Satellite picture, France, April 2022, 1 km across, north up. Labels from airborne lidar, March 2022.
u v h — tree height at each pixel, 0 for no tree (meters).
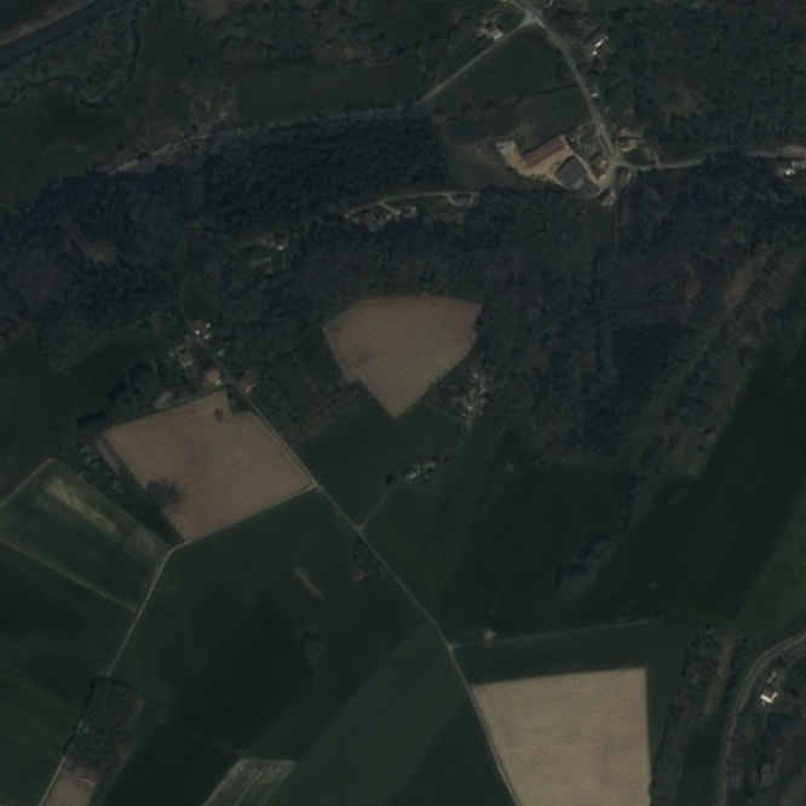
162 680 0
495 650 0
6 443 0
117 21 16
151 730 0
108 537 0
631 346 24
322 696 0
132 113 0
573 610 0
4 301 32
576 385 10
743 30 29
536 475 0
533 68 0
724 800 0
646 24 16
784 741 21
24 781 0
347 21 19
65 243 29
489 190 0
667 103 0
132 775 0
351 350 0
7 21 17
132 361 0
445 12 0
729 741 0
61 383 0
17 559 0
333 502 0
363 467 0
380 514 0
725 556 0
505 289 26
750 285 0
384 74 0
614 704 0
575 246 25
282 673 0
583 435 30
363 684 0
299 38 18
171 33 0
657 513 0
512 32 0
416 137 27
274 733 0
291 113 0
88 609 0
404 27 0
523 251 24
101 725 16
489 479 0
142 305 23
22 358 0
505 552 0
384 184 28
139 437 0
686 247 29
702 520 0
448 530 0
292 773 0
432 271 24
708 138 20
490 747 0
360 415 0
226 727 0
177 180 19
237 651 0
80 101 7
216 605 0
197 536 0
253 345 20
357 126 27
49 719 0
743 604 0
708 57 27
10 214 0
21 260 28
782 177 0
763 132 23
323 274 29
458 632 0
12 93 23
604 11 0
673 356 25
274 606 0
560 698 0
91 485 8
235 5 0
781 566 0
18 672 0
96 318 25
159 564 0
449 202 0
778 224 9
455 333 0
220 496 0
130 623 0
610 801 0
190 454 0
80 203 32
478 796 0
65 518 0
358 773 0
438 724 0
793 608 0
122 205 25
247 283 23
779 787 0
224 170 25
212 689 0
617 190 0
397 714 0
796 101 18
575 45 0
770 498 0
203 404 0
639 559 0
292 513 0
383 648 0
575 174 0
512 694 0
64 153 0
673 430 19
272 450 0
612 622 0
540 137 0
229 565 0
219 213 26
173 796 0
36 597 0
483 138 0
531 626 0
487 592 0
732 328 0
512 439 0
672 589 0
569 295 24
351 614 0
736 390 0
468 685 0
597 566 19
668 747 15
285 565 0
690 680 18
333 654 0
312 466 0
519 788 0
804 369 0
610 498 0
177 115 0
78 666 0
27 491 0
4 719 0
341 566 0
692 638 0
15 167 0
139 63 0
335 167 28
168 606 0
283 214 32
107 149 0
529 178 0
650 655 0
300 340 16
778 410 0
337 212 26
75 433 0
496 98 0
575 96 0
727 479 0
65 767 0
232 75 0
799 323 23
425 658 0
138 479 0
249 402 0
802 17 24
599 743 0
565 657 0
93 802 0
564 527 0
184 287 0
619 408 15
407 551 0
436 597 0
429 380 0
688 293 21
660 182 9
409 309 0
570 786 0
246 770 0
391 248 24
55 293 29
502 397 22
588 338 20
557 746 0
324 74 0
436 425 0
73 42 19
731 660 0
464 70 0
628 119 0
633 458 0
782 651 0
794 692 0
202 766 0
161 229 34
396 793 0
